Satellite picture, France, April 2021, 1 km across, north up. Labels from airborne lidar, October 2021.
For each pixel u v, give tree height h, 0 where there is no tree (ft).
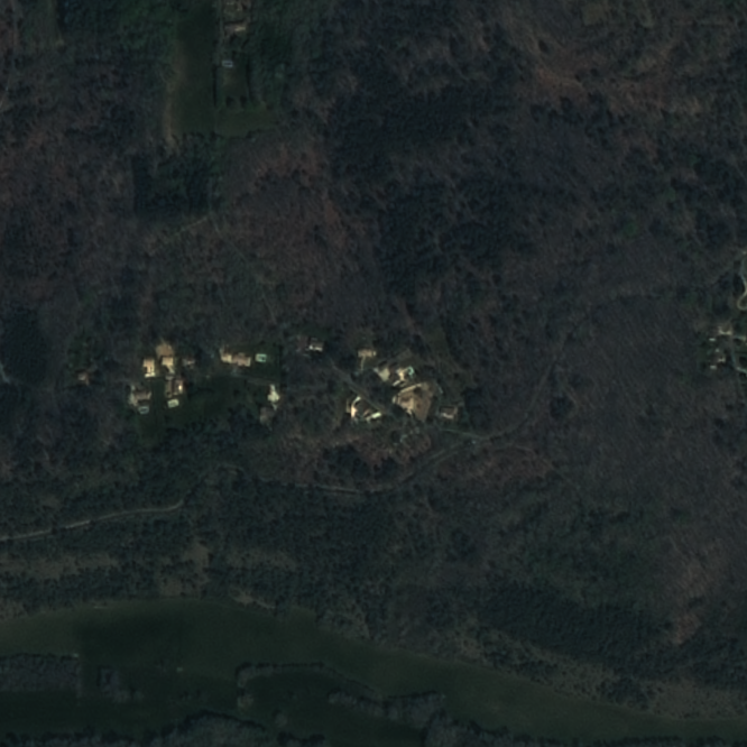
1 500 59
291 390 34
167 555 62
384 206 65
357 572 81
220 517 72
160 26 58
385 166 72
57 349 42
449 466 0
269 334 36
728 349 52
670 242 65
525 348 54
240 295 59
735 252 53
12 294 24
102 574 30
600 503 52
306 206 40
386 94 57
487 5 63
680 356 58
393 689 0
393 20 49
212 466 95
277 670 34
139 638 0
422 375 37
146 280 52
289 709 0
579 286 39
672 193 43
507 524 64
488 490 54
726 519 66
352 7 48
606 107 75
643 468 63
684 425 43
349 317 24
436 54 72
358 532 75
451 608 43
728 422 23
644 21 45
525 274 25
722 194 31
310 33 52
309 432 51
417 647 36
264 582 33
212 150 50
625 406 64
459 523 64
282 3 57
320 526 65
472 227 32
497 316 25
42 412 57
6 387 26
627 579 54
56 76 31
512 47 58
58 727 0
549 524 59
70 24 88
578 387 67
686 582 61
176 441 71
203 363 72
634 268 61
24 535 52
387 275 76
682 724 0
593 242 53
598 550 67
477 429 55
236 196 30
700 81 18
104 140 41
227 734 66
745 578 56
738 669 21
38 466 40
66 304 46
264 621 0
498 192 68
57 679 60
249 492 81
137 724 0
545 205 73
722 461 56
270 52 35
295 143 63
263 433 70
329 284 32
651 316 52
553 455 60
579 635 30
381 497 42
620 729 0
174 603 0
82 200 27
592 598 50
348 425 44
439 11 64
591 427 49
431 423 36
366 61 61
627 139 52
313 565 59
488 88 37
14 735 0
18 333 73
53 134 31
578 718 0
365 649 0
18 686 41
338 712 0
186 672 0
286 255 25
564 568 61
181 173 49
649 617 56
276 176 35
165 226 64
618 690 47
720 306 67
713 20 43
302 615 0
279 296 27
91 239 36
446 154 48
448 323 36
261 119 0
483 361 54
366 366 0
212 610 0
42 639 0
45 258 21
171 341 23
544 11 56
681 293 41
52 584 22
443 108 54
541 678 22
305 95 39
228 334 58
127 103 36
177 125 0
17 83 24
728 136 47
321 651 0
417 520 48
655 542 62
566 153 66
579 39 24
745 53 49
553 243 38
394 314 45
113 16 91
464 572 47
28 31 57
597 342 58
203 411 0
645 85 23
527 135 36
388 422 35
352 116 70
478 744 41
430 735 53
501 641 36
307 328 23
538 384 25
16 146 30
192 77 0
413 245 69
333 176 38
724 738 0
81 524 64
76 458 71
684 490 63
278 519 56
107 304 62
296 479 49
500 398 47
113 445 68
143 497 75
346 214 45
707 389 43
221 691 0
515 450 27
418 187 62
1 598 27
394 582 55
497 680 0
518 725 0
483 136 42
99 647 0
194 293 58
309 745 35
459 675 0
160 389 0
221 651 0
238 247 26
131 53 38
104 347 33
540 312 45
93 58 44
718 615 22
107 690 51
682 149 51
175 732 44
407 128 59
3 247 27
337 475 69
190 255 43
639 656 29
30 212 27
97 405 58
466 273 29
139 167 53
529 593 33
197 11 0
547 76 59
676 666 55
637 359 50
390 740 0
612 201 74
